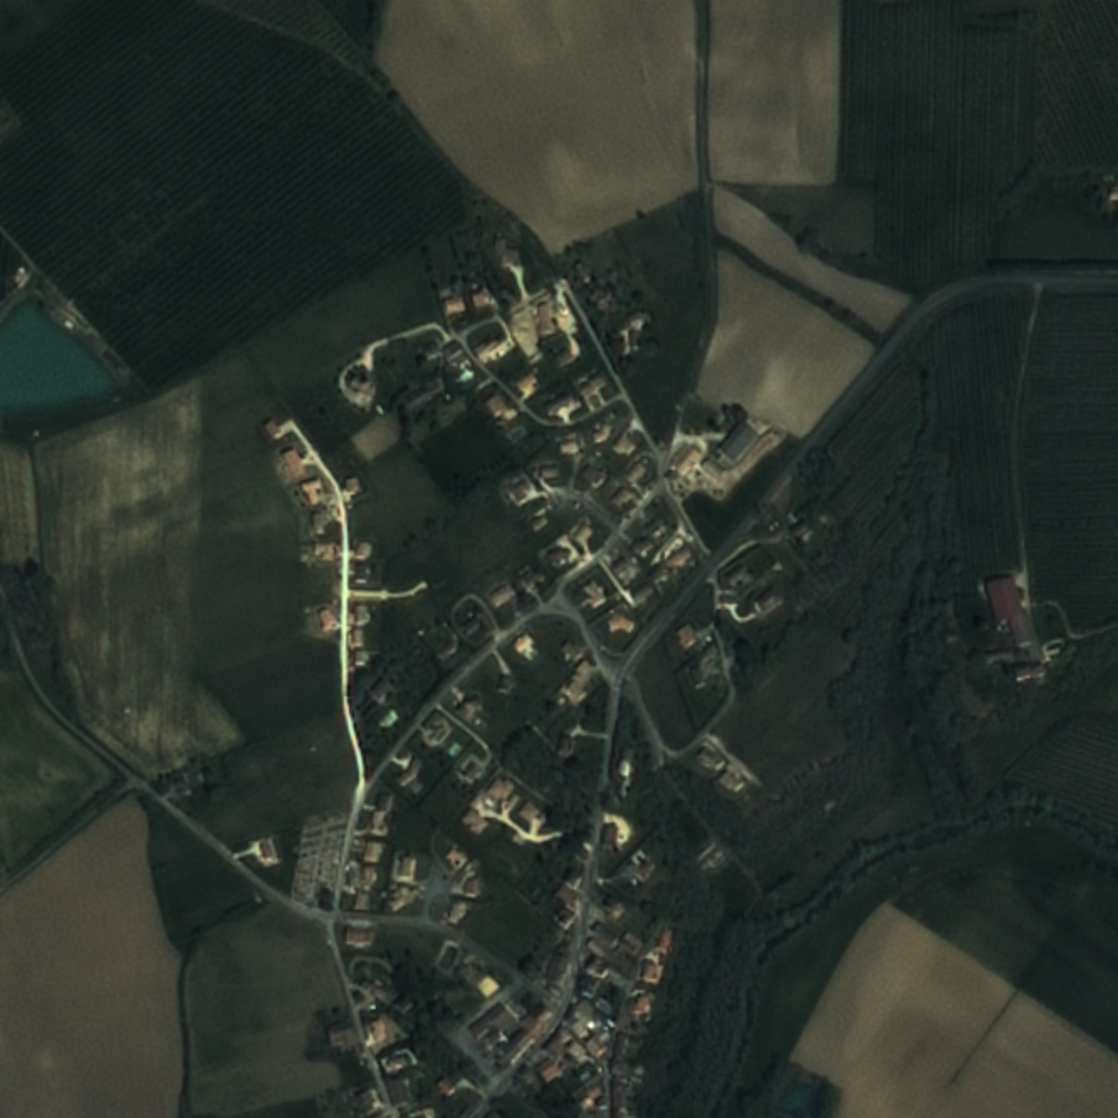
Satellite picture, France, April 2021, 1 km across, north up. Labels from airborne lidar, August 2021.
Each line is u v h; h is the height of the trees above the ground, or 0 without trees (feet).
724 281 0
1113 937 0
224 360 0
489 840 0
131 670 0
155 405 0
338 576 0
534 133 0
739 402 0
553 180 0
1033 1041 0
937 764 50
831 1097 66
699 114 0
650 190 0
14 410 0
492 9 0
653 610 0
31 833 0
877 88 22
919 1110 0
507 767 40
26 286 0
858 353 0
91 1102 0
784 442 0
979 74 23
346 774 0
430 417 24
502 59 0
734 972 97
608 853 22
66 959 0
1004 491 18
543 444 26
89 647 0
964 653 0
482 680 0
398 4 0
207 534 0
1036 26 36
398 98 33
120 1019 0
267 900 0
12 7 0
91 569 0
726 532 0
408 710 31
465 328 0
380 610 0
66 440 0
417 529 0
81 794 0
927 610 41
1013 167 27
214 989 0
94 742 0
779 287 0
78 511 0
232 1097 0
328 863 0
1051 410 19
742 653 52
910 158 20
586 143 0
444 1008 31
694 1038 57
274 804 0
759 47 0
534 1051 0
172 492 0
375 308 0
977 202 23
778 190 0
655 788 33
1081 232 0
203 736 0
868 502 20
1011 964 0
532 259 0
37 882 0
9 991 0
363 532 0
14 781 0
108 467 0
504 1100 17
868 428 20
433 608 0
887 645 46
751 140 0
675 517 0
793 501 0
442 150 0
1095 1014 0
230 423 0
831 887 40
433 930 0
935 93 20
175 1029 0
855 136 19
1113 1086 0
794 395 0
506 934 0
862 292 0
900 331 0
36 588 63
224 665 0
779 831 70
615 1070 0
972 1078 0
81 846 0
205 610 0
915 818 0
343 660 0
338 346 0
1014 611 0
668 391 0
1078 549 20
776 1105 40
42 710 0
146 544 0
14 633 78
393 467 0
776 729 0
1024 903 0
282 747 0
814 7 0
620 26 0
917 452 33
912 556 51
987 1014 0
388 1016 32
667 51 0
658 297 0
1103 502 24
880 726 54
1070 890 0
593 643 0
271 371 0
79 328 0
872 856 49
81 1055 0
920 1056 0
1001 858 0
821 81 0
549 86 0
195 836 0
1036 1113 0
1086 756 17
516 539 0
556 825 50
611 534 0
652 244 0
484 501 57
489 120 0
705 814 45
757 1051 0
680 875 52
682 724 0
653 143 0
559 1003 0
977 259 20
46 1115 0
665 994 51
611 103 0
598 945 0
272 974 0
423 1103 24
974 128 24
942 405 22
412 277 0
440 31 0
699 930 58
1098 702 0
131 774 0
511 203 0
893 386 20
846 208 0
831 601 24
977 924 0
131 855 0
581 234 0
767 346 0
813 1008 0
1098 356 21
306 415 0
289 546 0
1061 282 0
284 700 0
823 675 0
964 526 19
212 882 0
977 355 23
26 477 0
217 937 0
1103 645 38
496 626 0
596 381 0
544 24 0
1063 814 21
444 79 0
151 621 0
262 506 0
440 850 0
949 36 19
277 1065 0
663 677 0
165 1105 0
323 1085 0
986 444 21
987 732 62
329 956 0
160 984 0
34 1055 0
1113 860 17
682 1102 89
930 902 0
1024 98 21
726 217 0
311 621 0
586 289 28
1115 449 21
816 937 0
